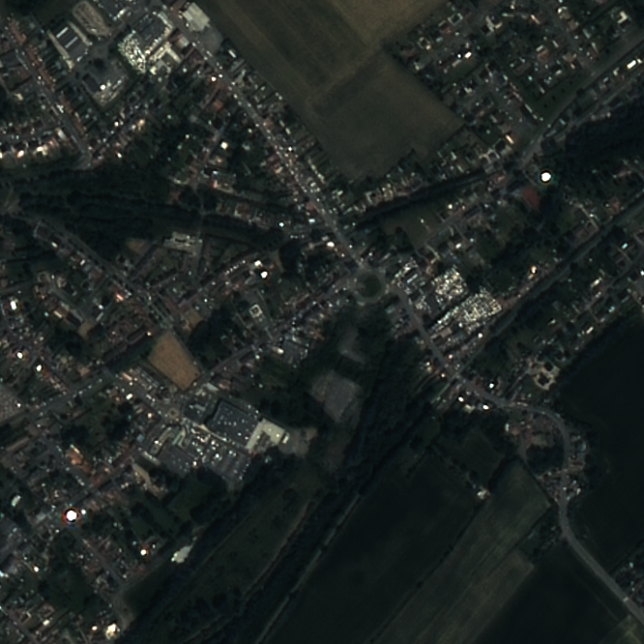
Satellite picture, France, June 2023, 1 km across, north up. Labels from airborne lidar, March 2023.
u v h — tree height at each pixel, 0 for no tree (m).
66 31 0
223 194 9
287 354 0
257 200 0
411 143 0
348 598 0
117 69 0
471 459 0
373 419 18
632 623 0
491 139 0
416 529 0
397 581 0
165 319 0
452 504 0
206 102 0
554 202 12
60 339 8
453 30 0
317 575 0
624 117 17
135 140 7
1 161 0
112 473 0
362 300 0
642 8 7
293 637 0
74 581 0
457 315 0
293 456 8
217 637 12
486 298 0
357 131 0
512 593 0
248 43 0
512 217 0
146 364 0
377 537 0
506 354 10
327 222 0
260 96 0
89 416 0
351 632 0
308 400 20
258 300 0
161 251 0
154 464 0
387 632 0
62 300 0
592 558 0
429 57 0
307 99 0
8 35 0
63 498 0
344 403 0
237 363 0
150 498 18
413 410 16
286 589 6
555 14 0
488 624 0
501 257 12
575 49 0
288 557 11
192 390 0
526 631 0
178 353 0
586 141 18
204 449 0
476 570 0
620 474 0
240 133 6
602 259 0
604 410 0
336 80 0
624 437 0
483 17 0
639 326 0
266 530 0
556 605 0
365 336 19
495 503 0
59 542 9
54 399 0
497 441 14
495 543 0
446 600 0
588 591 0
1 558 0
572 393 0
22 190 7
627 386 0
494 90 0
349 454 18
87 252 0
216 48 0
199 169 0
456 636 0
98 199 8
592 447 11
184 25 0
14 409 0
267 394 0
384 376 16
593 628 0
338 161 0
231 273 0
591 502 0
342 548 0
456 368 0
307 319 0
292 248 16
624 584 11
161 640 0
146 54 0
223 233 0
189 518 0
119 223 7
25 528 21
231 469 0
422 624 0
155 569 0
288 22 0
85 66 0
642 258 0
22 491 11
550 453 19
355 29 0
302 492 0
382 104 0
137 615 0
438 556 0
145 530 0
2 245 0
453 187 9
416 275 0
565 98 0
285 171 0
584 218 0
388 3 0
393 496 0
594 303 0
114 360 24
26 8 11
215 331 15
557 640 0
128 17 0
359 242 0
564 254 14
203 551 11
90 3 0
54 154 0
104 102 0
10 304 0
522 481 0
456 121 0
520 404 0
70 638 0
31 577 0
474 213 0
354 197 0
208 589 0
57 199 7
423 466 0
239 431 0
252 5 0
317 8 0
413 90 0
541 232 7
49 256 16
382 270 0
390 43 0
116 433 14
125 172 6
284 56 0
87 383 0
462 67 0
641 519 0
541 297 11
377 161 0
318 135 0
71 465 0
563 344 0
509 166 11
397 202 9
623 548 0
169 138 6
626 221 0
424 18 0
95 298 0
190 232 0
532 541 0
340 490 9
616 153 20
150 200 9
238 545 0
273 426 0
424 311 0
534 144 0
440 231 0
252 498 20
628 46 0
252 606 15
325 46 0
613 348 0
